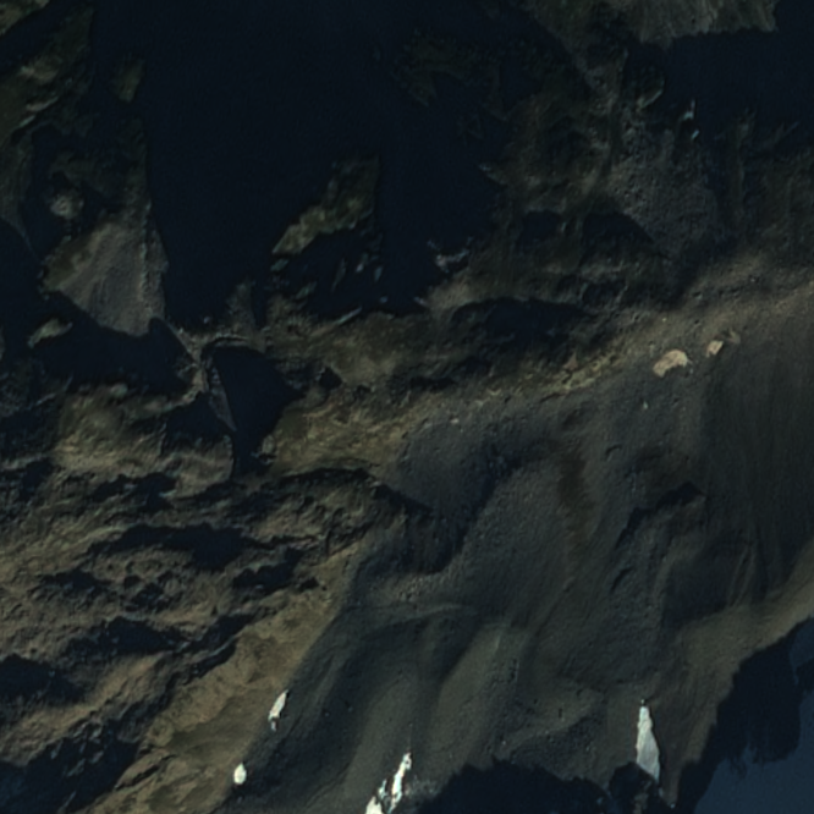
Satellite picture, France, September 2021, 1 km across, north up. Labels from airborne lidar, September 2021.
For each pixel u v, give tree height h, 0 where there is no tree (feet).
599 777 0
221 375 0
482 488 0
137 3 36
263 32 44
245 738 0
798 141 0
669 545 0
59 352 0
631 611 0
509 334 0
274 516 0
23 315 0
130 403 0
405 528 0
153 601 0
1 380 0
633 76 21
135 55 25
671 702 0
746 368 0
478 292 0
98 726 0
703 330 0
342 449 0
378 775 0
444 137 0
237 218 0
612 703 0
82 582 0
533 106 0
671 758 0
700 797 0
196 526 0
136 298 0
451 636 0
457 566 0
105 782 0
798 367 0
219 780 0
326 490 0
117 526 0
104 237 0
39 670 0
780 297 0
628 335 0
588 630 0
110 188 0
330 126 0
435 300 0
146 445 0
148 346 0
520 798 0
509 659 0
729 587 0
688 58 0
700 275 0
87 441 0
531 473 0
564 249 0
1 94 0
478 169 0
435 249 0
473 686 0
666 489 0
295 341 0
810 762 0
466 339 0
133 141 0
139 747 0
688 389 0
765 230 0
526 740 0
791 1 0
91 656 0
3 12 24
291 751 0
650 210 0
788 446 0
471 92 0
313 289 0
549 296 0
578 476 0
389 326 0
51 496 0
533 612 0
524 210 0
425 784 0
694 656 0
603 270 0
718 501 0
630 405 0
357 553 0
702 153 0
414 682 0
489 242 0
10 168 0
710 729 0
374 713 0
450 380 0
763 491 0
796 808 0
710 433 0
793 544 0
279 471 0
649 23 0
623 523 0
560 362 0
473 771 0
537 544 0
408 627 0
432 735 0
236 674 0
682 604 0
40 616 0
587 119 0
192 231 0
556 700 0
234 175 19
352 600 0
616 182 0
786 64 0
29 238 0
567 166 0
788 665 0
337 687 0
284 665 0
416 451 0
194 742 0
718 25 0
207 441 0
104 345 0
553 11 0
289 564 0
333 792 0
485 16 0
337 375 0
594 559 0
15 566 0
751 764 0
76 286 0
